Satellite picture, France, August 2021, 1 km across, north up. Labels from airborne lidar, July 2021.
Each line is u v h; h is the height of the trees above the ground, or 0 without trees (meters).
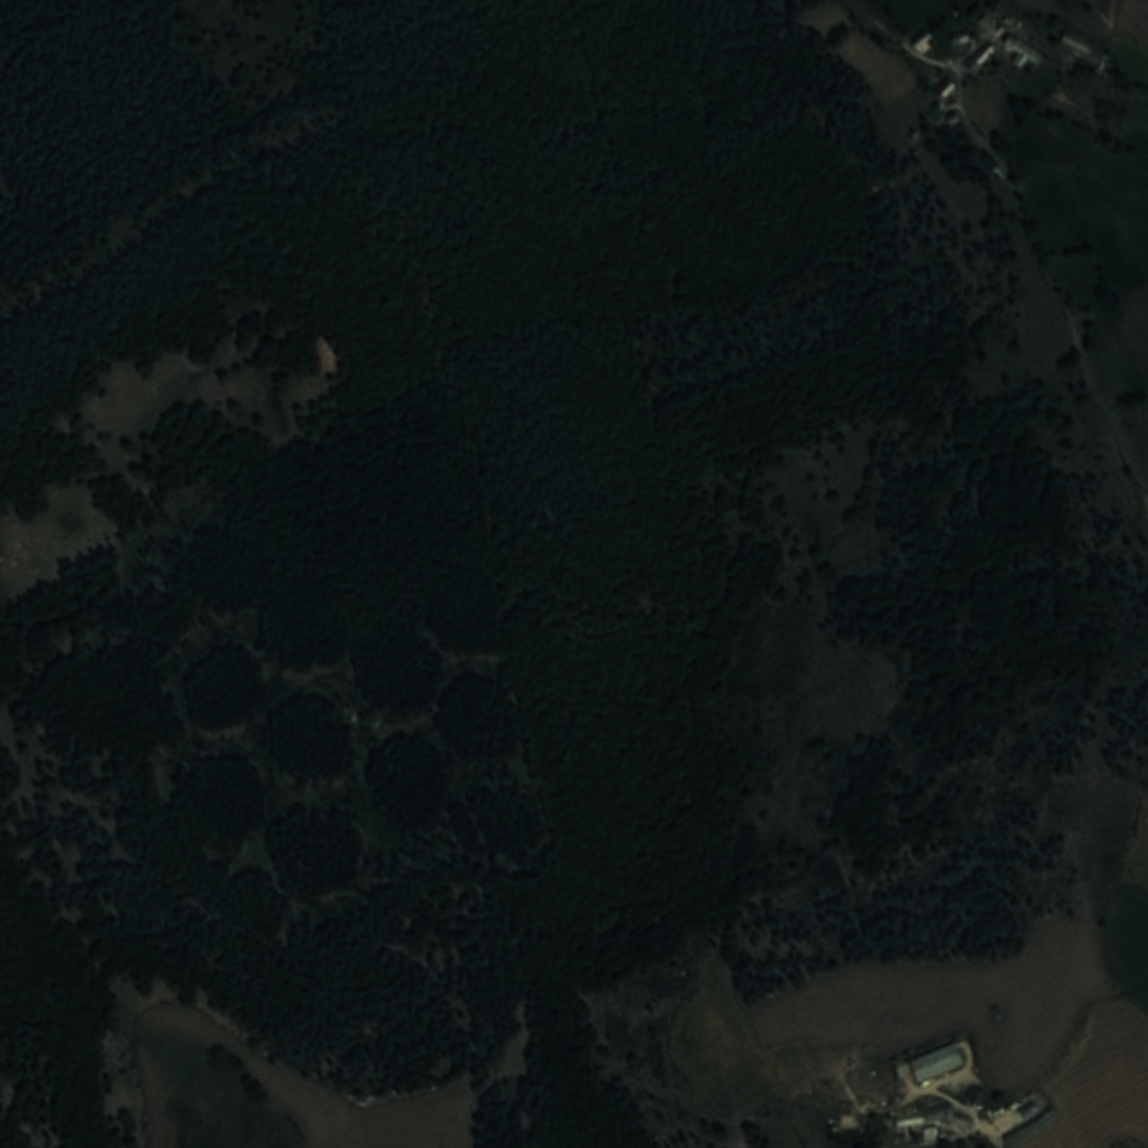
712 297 14
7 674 13
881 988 0
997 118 0
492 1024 8
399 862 19
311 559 10
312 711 12
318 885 14
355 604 7
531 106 14
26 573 0
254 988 12
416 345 11
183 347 11
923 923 12
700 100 9
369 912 17
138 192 17
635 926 9
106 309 17
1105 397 0
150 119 17
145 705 13
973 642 16
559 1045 12
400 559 8
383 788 14
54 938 12
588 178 17
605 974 15
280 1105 0
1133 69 0
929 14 0
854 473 0
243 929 14
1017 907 9
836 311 12
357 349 11
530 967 10
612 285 11
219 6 0
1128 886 0
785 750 0
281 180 9
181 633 9
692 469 16
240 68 6
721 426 12
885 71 0
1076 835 0
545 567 11
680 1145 14
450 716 15
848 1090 0
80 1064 12
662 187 16
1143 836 0
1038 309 0
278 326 6
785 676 0
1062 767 14
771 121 16
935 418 11
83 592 12
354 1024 14
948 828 14
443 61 14
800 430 13
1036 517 17
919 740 10
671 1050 0
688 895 16
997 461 13
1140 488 0
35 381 14
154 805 15
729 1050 0
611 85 16
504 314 11
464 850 11
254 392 0
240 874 8
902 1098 0
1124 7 0
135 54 16
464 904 9
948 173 8
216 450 9
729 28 14
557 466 15
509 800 12
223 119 8
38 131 13
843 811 14
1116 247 0
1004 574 16
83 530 0
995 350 0
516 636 11
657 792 11
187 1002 12
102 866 16
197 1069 0
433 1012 9
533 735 13
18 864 10
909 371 14
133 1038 0
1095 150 0
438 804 15
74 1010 11
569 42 16
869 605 13
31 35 13
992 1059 0
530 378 16
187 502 0
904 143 0
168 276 19
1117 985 0
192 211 18
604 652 8
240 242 9
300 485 10
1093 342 13
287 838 13
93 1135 12
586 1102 10
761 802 0
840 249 11
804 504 0
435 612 12
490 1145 10
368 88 13
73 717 12
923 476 16
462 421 10
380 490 9
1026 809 6
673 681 12
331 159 14
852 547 0
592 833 14
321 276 12
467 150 15
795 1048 0
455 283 9
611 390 17
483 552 8
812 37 13
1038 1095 0
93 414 0
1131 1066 0
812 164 13
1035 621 16
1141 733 11
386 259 8
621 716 12
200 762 10
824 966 11
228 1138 0
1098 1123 0
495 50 14
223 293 9
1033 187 0
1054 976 0
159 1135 0
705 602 11
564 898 12
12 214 9
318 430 12
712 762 12
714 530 9
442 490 11
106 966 10
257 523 8
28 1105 14
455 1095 0
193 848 13
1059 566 16
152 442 10
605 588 10
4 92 9
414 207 14
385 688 13
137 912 14
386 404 11
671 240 12
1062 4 0
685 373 15
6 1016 16
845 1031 0
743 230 13
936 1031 0
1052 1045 0
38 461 10
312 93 14
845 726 0
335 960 16
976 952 12
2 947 14
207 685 14
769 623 0
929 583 11
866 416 8
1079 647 6
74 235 14
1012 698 12
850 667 0
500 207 14
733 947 12
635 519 11
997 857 17
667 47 16
